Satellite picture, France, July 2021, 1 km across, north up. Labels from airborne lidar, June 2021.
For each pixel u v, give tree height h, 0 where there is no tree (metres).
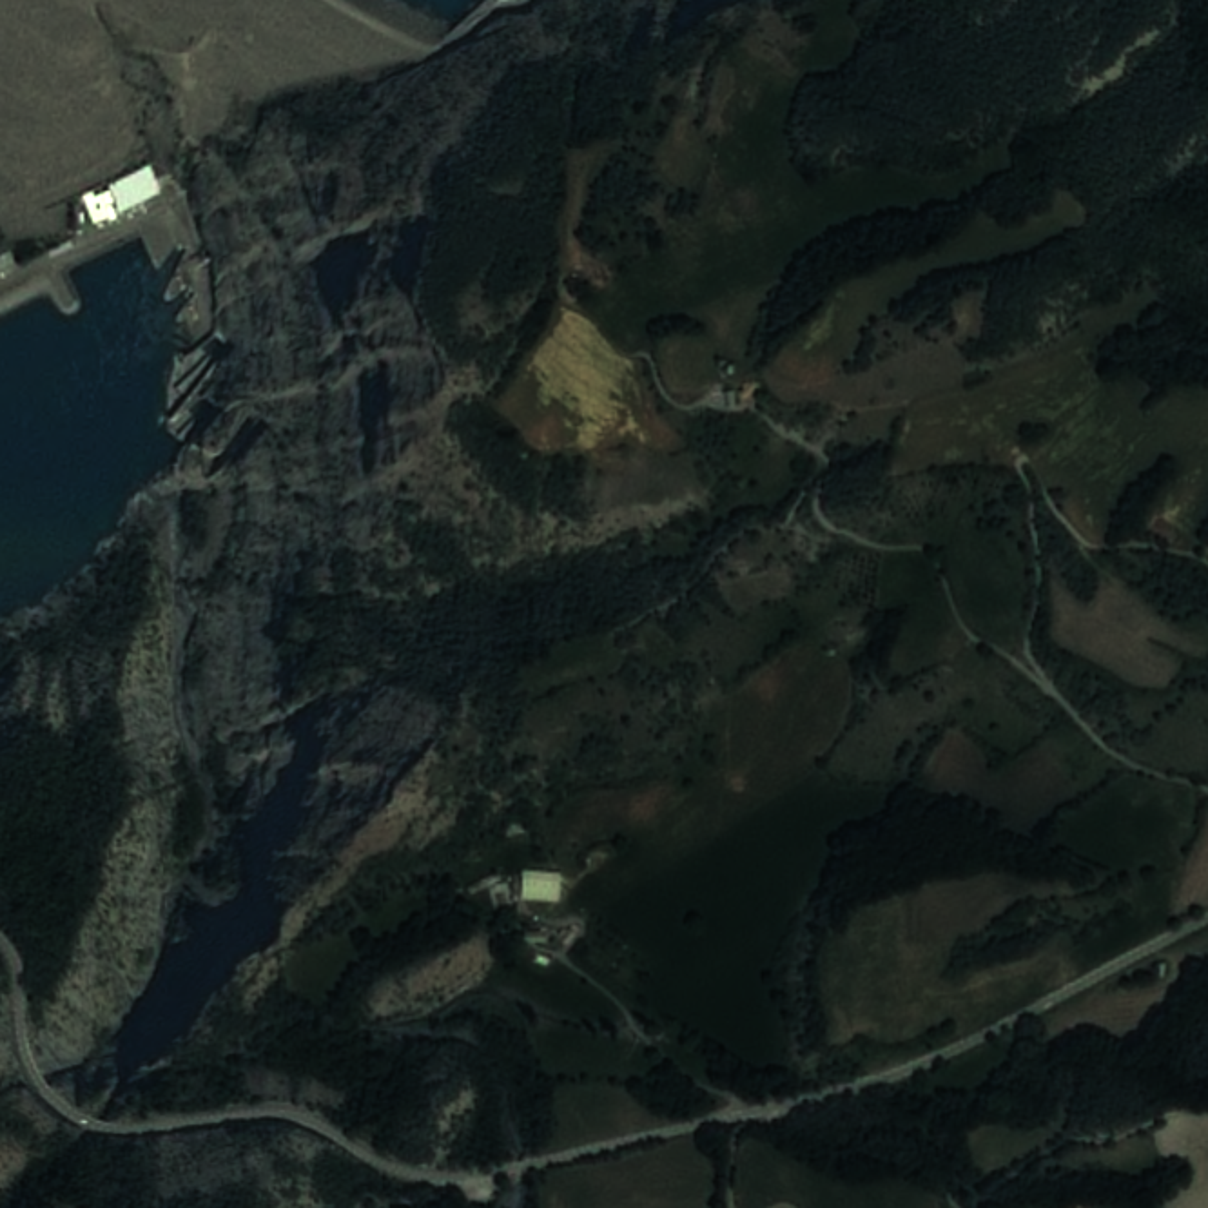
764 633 0
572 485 6
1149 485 13
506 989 0
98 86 0
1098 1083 13
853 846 22
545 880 0
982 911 0
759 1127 12
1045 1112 15
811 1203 0
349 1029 11
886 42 14
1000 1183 11
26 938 11
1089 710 8
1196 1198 0
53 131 0
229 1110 0
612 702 0
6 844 12
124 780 8
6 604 0
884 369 0
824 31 0
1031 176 7
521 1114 7
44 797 10
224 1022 8
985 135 5
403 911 0
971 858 16
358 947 14
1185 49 7
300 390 0
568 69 8
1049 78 8
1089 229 6
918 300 17
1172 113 11
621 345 0
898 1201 0
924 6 11
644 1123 0
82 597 7
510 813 10
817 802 0
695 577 8
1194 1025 14
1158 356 14
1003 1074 14
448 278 9
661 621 7
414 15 0
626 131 11
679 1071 18
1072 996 0
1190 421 0
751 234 0
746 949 0
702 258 0
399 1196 12
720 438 8
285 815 0
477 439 6
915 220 20
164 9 0
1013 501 10
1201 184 11
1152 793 0
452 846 7
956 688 0
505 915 16
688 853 0
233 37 0
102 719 6
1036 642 6
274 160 0
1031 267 11
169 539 0
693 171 0
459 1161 14
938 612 0
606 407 0
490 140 6
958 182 0
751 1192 0
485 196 7
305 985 0
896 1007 0
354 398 0
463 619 6
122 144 0
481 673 6
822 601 0
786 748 0
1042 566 6
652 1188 0
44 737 8
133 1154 6
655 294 0
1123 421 0
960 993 0
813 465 7
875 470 10
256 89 0
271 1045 9
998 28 6
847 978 0
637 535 7
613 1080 9
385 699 0
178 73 0
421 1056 10
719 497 6
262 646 0
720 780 0
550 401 0
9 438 0
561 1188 0
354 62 0
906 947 0
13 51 0
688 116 0
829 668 0
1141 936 0
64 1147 6
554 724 0
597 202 10
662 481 0
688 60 8
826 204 0
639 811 0
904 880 18
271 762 0
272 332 0
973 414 0
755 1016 0
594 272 0
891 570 0
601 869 0
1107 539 8
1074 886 7
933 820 25
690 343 0
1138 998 0
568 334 0
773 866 0
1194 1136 0
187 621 0
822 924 7
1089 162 8
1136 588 7
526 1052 11
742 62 0
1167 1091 18
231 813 9
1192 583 9
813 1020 9
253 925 0
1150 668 0
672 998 0
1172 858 0
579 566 11
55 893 14
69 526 0
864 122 12
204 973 0
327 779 0
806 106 9
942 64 14
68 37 0
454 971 0
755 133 0
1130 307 0
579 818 0
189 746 0
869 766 0
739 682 7
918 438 0
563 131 13
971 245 0
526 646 13
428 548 7
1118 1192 24
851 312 0
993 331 6
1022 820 0
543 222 11
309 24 0
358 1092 16
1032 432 14
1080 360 0
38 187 0
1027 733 0
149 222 0
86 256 0
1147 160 9
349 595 7
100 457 0
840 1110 21
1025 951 10
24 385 0
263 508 0
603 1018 0
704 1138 18
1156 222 12
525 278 10
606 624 11
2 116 0
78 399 0
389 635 8
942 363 0
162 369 0
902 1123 18
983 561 0
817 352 0
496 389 6
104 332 0
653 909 0
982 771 0
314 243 0
